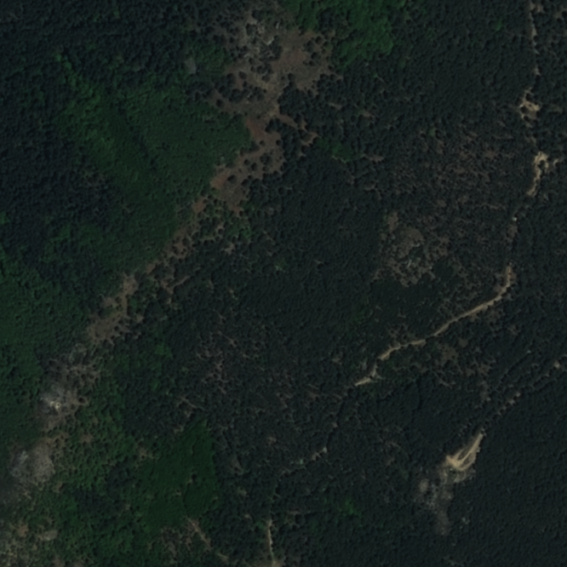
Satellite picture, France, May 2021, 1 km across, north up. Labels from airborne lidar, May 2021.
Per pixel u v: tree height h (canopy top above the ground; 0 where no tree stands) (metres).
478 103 26
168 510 10
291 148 27
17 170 25
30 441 7
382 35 19
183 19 11
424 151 29
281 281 26
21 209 21
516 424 23
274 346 28
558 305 27
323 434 21
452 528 7
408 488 23
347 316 31
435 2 22
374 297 17
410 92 28
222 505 13
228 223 16
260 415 22
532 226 26
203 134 13
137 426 22
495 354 20
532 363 20
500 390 15
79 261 10
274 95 0
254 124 0
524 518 17
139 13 25
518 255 28
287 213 26
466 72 25
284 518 9
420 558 31
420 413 25
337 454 27
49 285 14
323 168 25
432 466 10
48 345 6
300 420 18
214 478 18
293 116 27
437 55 27
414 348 19
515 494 18
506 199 30
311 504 27
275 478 30
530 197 25
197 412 27
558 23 27
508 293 9
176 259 15
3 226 25
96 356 13
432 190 28
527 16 29
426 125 31
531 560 20
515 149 28
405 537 37
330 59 9
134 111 19
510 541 18
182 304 14
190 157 14
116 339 16
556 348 21
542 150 22
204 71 11
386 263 9
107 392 14
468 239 26
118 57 8
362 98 21
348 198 28
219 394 24
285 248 23
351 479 20
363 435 26
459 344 12
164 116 15
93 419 18
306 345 26
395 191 25
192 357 24
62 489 12
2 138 28
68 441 15
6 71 34
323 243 26
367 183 23
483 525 14
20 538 6
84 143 13
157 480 13
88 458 8
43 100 13
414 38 26
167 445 17
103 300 11
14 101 26
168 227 11
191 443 12
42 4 19
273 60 12
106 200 12
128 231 8
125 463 23
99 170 10
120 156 14
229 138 9
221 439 29
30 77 26
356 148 27
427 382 25
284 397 22
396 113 28
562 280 27
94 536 15
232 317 26
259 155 0
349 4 28
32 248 21
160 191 8
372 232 27
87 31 26
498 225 29
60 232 17
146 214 11
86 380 8
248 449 28
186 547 10
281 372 23
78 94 23
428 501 6
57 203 23
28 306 14
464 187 29
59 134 22
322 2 16
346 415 26
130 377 20
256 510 29
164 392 23
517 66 29
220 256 22
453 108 27
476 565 29
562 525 20
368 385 11
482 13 25
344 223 30
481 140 29
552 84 24
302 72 0
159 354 24
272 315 20
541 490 20
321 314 26
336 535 31
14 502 0
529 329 21
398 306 11
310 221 27
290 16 0
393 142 26
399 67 26
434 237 23
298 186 24
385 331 13
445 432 21
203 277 19
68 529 22
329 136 21
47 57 25
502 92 34
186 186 9
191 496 13
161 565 12
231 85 12
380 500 22
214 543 14
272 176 21
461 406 22
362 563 31
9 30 25
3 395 12
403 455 19
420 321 13
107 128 17
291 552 17
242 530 27
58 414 11
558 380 11
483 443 16
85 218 14
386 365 13
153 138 11
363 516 23
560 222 24
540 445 20
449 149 25
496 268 27
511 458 16
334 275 29
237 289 17
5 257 16
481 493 17
